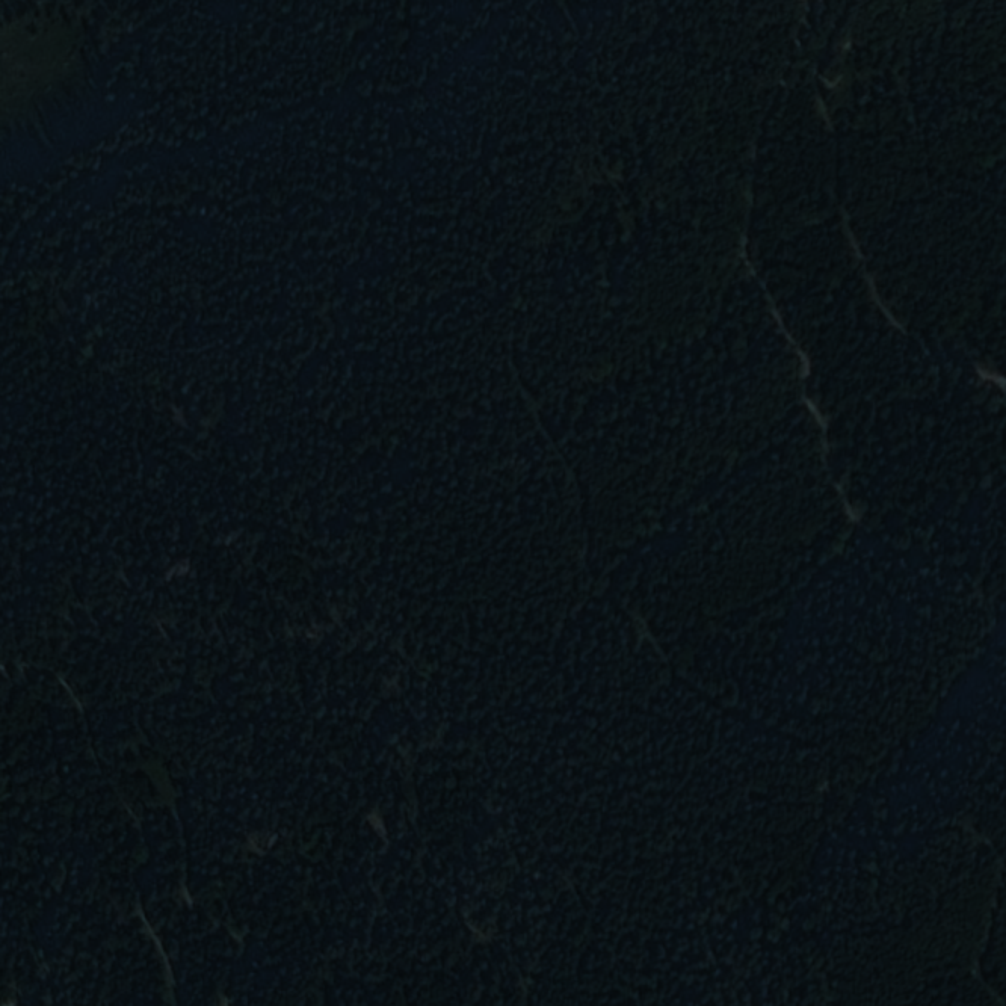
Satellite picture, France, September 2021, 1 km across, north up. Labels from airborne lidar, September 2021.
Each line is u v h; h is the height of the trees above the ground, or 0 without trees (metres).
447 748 13
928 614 25
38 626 27
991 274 13
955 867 15
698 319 29
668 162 29
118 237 27
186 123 27
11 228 23
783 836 26
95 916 20
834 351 13
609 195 14
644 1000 29
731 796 28
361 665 20
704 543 17
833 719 16
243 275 31
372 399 27
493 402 35
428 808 12
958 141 25
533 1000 9
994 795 20
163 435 14
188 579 32
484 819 11
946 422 17
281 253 32
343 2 32
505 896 13
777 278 24
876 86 9
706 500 30
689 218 14
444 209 24
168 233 25
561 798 12
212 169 24
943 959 22
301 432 30
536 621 27
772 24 23
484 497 29
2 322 16
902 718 24
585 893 6
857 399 22
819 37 25
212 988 6
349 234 33
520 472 29
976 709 20
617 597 29
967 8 25
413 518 32
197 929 19
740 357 27
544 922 11
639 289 25
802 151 23
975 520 15
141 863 19
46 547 16
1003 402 20
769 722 28
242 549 34
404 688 28
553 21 0
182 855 17
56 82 0
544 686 28
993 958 23
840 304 18
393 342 23
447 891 27
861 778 31
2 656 23
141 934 14
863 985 19
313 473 27
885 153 17
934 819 30
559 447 31
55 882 32
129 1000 8
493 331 28
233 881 22
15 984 14
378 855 30
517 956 6
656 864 22
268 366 32
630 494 15
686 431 30
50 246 34
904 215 20
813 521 24
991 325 9
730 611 22
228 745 30
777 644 20
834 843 18
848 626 30
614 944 26
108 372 27
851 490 7
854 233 10
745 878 29
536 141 30
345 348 0
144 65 24
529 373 24
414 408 31
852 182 28
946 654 24
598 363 33
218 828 18
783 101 28
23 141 0
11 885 24
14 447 30
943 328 20
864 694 30
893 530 28
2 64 0
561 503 24
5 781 23
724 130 21
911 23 24
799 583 27
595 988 26
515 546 23
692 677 18
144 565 14
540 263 24
